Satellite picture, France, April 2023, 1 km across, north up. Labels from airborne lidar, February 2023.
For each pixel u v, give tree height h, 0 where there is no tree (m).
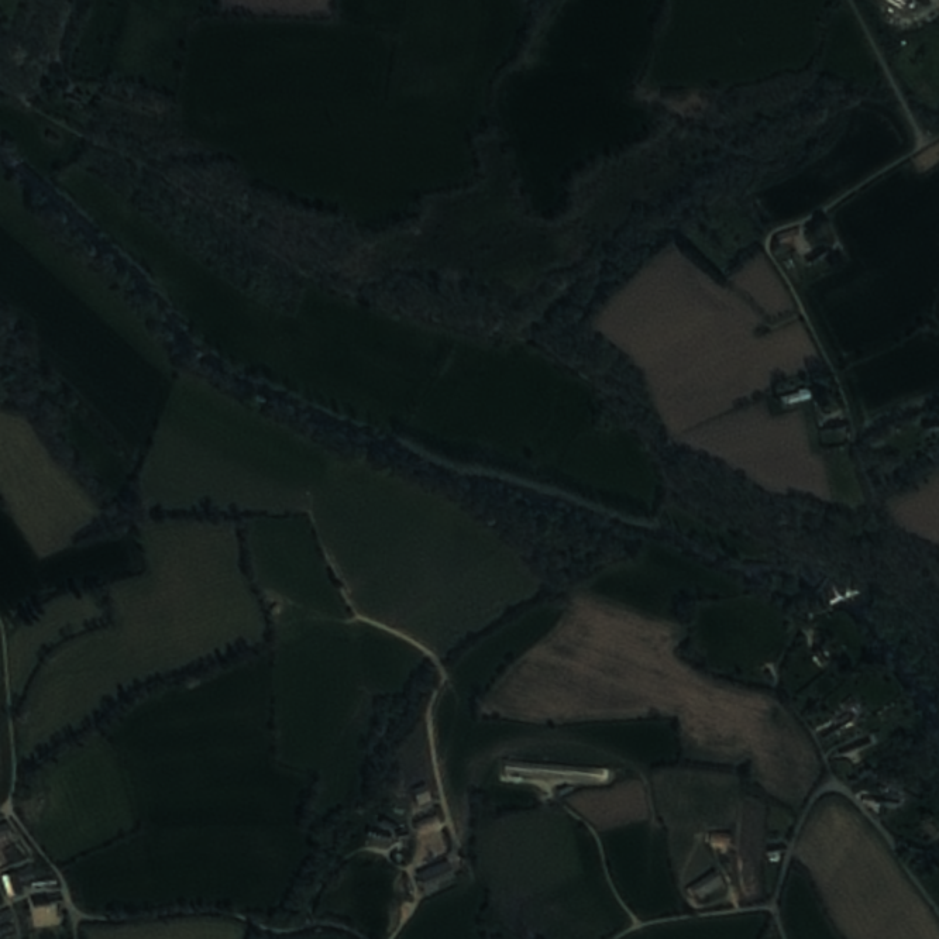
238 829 0
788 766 0
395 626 0
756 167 10
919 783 7
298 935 6
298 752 0
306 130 0
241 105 0
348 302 15
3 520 0
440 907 0
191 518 9
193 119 0
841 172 0
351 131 0
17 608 0
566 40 0
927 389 0
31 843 6
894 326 0
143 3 0
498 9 0
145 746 0
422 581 0
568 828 0
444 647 0
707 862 0
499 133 14
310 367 0
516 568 0
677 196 8
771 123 12
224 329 0
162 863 0
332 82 0
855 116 0
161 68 0
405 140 0
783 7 0
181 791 0
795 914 0
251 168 0
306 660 0
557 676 0
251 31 0
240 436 0
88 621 0
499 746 0
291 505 0
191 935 0
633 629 0
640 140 11
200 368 24
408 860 10
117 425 0
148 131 0
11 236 0
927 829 0
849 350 0
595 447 0
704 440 0
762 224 12
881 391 0
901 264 0
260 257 16
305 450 0
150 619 0
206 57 0
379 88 0
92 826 0
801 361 0
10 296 0
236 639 0
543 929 0
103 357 0
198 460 0
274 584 0
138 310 6
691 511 16
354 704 0
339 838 8
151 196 13
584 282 20
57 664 0
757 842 0
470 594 0
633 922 0
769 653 0
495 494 22
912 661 9
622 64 0
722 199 9
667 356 0
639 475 0
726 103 7
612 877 6
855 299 0
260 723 0
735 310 0
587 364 21
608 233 6
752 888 0
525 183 0
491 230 0
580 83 0
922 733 22
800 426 0
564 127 0
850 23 0
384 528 0
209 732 0
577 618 0
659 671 0
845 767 0
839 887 0
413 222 17
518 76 0
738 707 0
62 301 0
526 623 0
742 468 0
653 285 0
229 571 0
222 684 0
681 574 0
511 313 15
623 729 0
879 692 0
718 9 0
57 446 23
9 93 20
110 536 16
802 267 0
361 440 17
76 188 0
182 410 0
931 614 18
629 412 20
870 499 14
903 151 0
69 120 8
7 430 0
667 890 0
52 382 15
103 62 0
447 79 0
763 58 0
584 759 0
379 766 11
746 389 0
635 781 0
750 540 12
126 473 0
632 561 18
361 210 0
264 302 9
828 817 0
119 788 0
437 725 0
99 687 0
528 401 0
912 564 21
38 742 0
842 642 0
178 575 0
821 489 0
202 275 0
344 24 0
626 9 0
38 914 0
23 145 0
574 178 15
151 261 0
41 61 23
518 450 0
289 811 0
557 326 20
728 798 0
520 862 0
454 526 0
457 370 0
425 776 0
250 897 0
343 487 0
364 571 0
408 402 0
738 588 0
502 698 0
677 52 0
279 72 0
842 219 0
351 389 0
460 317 22
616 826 0
